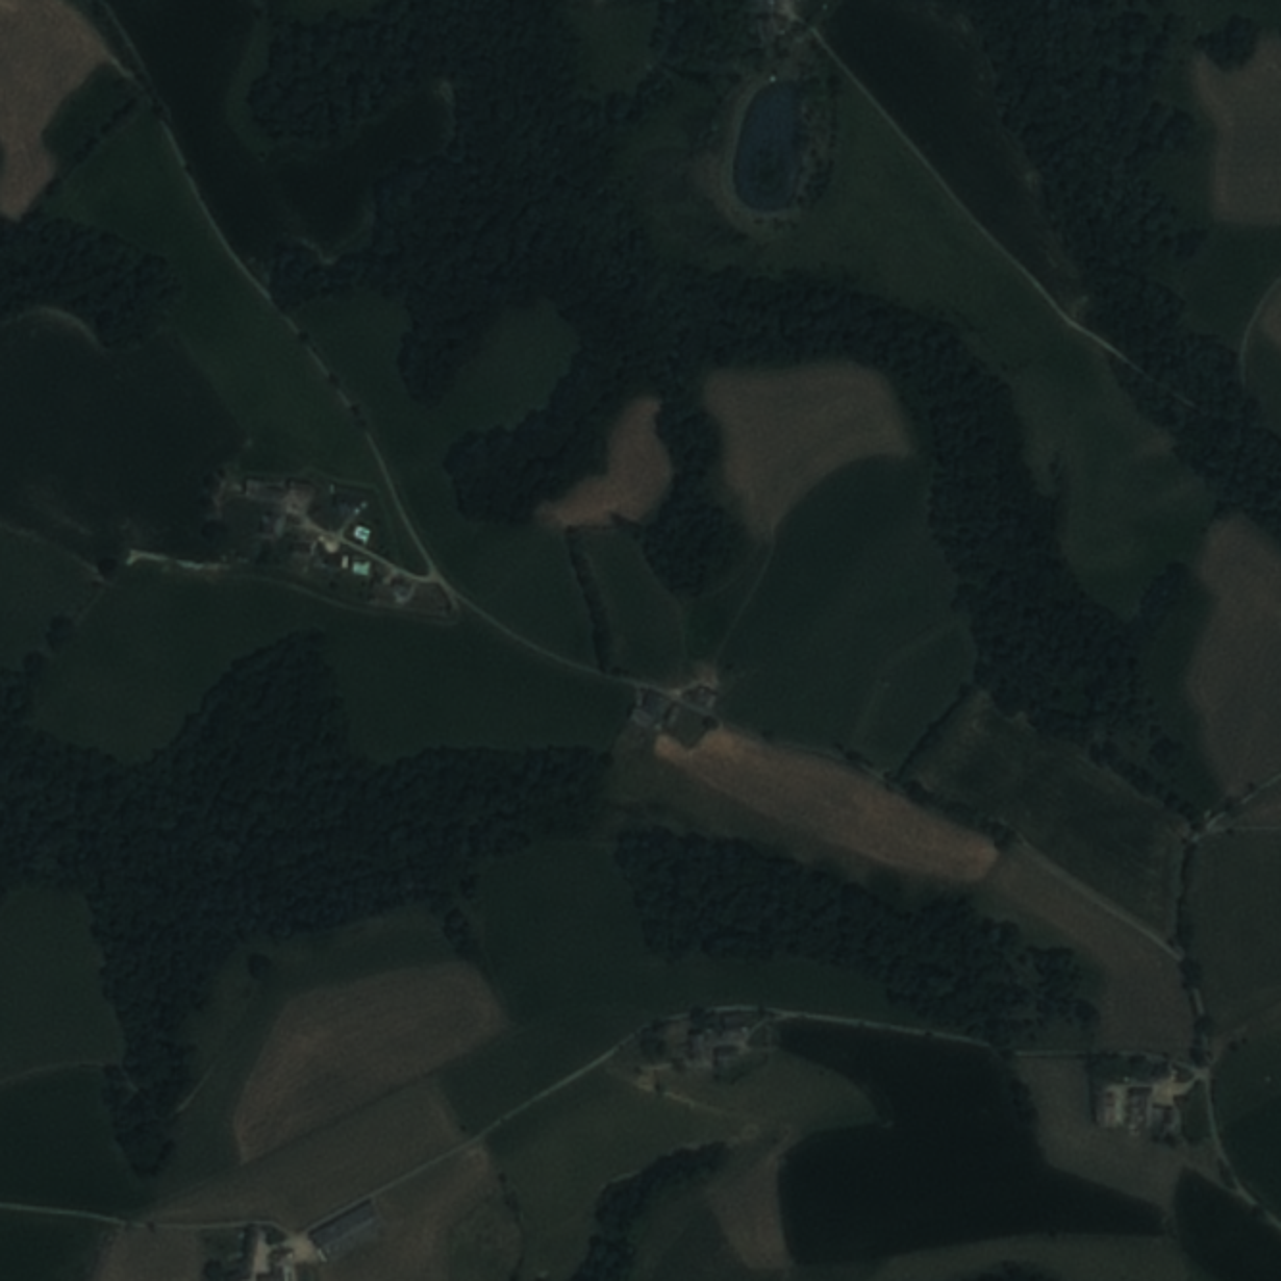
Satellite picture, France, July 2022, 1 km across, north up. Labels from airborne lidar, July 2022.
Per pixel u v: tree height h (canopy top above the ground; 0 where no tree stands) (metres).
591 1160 0
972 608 15
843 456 0
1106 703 19
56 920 0
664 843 22
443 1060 0
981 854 0
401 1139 0
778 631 0
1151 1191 0
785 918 19
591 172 23
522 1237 0
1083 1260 0
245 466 0
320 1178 0
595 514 0
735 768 0
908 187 0
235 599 0
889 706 0
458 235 22
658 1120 0
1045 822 0
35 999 0
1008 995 11
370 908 22
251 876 28
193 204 0
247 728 12
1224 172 0
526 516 17
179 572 0
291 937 20
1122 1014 0
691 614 0
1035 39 25
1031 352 0
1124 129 30
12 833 15
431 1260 0
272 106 26
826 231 0
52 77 0
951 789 0
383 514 0
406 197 31
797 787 0
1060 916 0
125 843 26
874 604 0
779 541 0
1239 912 0
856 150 0
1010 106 8
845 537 0
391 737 0
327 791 25
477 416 0
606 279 30
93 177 0
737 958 16
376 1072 0
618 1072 0
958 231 0
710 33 9
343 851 21
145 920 29
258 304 0
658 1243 0
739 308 23
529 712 0
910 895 0
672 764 0
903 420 0
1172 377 22
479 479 29
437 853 29
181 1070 22
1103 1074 10
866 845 0
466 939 19
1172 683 0
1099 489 0
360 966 0
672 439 21
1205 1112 0
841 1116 0
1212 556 0
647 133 0
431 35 29
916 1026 0
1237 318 0
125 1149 20
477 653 0
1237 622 0
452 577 0
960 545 13
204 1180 0
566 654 0
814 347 16
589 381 32
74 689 0
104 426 0
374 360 0
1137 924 0
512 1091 0
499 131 27
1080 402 0
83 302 13
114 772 14
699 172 0
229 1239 0
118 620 0
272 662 15
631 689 0
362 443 0
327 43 26
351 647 0
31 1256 0
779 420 0
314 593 0
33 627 0
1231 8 0
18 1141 0
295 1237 0
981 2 13
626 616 0
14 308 12
